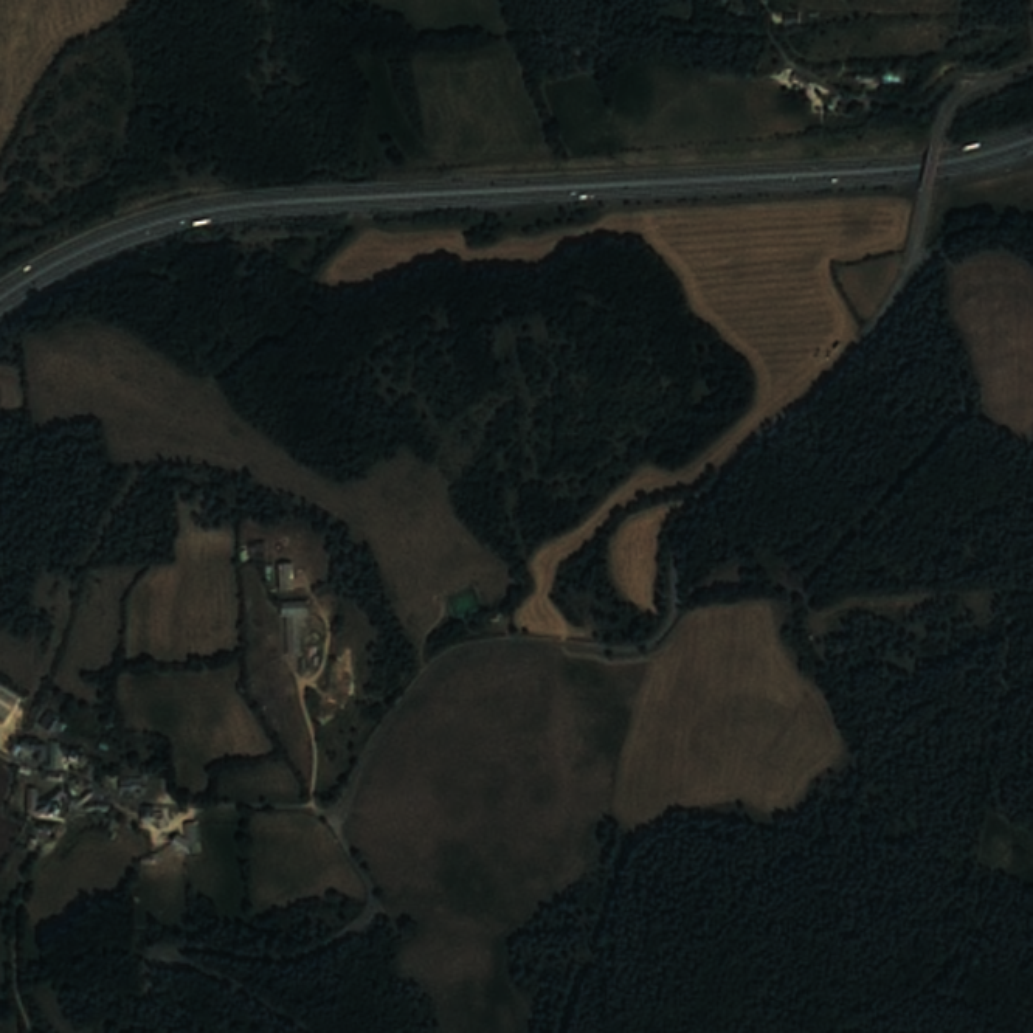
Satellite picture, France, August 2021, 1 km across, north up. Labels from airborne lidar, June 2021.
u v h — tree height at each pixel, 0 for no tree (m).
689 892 18
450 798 0
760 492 20
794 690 0
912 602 0
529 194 0
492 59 0
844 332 0
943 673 19
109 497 8
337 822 0
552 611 0
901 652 13
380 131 0
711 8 11
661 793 0
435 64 0
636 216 0
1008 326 0
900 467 13
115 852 0
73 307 11
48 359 0
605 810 0
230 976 12
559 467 8
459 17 0
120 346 0
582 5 15
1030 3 16
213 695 0
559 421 9
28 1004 8
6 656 0
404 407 10
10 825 0
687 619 0
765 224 0
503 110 0
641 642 13
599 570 14
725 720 0
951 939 15
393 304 15
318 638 0
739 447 0
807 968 20
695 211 0
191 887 11
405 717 0
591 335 8
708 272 0
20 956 7
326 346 17
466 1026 0
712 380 8
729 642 0
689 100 0
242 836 10
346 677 0
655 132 0
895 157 0
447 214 8
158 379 0
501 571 0
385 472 0
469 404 6
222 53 8
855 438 16
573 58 17
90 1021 13
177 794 11
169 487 10
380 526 0
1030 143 0
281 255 6
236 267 12
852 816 15
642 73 0
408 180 0
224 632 0
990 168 0
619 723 0
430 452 6
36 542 16
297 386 16
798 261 0
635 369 7
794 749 0
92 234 0
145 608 0
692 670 0
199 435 0
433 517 0
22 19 0
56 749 0
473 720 0
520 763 0
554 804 0
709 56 17
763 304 0
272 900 0
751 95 0
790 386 0
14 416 6
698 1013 17
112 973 17
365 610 8
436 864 0
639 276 16
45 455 15
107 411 0
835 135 7
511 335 0
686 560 14
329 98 11
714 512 17
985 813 10
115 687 10
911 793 20
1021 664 12
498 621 0
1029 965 15
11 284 0
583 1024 18
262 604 0
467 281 21
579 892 6
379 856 0
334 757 7
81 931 24
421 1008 7
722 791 0
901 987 15
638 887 12
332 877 0
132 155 7
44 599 0
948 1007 15
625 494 0
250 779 0
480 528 11
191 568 0
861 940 20
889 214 0
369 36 17
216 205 0
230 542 0
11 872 0
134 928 16
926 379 17
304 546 0
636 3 18
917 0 0
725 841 19
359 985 15
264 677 0
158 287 14
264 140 12
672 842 18
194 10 11
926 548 13
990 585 9
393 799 0
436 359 13
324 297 15
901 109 10
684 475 0
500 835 0
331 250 8
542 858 0
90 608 0
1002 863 0
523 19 16
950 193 0
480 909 0
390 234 0
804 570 9
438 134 0
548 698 0
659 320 10
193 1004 15
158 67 12
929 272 8
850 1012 16
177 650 0
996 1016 16
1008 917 15
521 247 0
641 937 13
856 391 20
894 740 16
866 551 15
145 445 0
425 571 0
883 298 0
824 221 0
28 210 7
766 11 13
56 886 0
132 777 0
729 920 20
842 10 0
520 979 9
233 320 13
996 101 7
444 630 7
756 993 16
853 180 0
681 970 18
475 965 0
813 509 17
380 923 8
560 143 14
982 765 15
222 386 11
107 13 0
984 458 19
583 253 19
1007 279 0
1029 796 10
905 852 19
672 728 0
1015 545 14
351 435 12
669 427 10
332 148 9
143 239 0
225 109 11
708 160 0
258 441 0
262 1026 14
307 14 20
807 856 14
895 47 0
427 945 0
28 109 7
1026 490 16
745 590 12
